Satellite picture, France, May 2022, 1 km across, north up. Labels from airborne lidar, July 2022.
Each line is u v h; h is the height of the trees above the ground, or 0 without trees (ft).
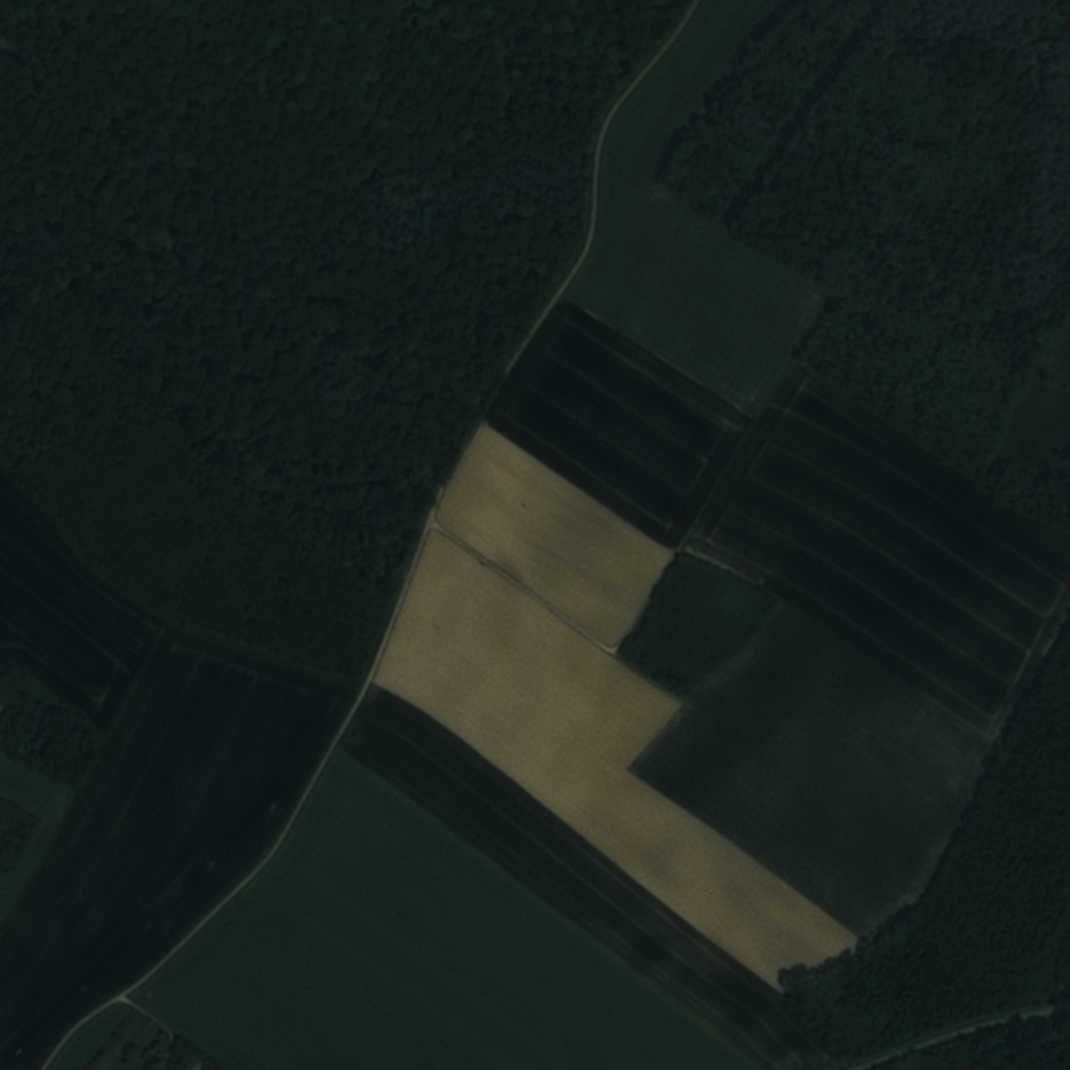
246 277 93
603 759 0
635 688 0
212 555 29
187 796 0
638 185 0
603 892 0
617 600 0
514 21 92
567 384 0
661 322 0
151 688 0
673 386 0
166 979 0
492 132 92
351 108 83
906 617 0
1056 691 50
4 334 97
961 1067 39
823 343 49
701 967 0
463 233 96
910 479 0
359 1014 0
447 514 0
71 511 31
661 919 0
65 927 0
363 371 86
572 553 0
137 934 0
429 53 82
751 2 0
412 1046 0
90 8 82
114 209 97
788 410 0
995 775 55
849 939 0
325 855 0
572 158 89
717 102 59
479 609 0
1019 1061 95
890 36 76
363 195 94
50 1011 0
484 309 88
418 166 91
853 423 0
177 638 0
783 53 70
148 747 0
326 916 0
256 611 27
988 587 0
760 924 0
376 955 0
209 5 93
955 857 43
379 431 89
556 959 0
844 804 0
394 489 83
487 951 0
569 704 0
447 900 0
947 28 64
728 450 0
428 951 0
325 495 80
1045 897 52
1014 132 69
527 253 94
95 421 91
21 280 109
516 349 42
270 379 100
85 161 89
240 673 0
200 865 0
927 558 0
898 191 73
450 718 0
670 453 0
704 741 0
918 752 0
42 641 0
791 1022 0
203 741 0
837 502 0
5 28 91
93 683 0
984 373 70
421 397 87
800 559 0
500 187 101
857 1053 40
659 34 77
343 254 106
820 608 0
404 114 90
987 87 75
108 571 32
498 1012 0
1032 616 0
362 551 38
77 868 0
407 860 0
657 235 0
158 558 29
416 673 0
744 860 0
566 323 0
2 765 0
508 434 0
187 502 30
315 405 100
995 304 61
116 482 30
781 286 0
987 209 53
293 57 97
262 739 0
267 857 0
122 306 106
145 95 84
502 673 0
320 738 0
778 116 70
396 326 92
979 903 52
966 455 58
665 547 0
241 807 0
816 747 0
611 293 0
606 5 83
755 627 34
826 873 0
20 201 94
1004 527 0
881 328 85
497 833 0
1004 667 0
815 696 0
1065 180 72
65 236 104
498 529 0
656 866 0
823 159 84
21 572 0
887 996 53
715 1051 0
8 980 0
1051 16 60
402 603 0
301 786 0
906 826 0
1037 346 57
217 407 110
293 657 26
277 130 91
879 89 78
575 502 0
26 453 70
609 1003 0
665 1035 0
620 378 0
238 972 0
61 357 101
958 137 68
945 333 83
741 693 0
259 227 88
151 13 103
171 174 85
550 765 0
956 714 0
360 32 79
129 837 0
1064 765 56
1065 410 0
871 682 0
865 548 0
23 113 101
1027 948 48
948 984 49
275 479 110
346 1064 0
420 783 0
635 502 0
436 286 76
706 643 34
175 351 101
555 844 0
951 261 69
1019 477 77
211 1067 18
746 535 0
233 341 106
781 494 0
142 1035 0
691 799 0
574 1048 0
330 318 82
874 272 68
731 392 0
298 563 31
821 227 73
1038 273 60
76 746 53
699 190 77
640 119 0
